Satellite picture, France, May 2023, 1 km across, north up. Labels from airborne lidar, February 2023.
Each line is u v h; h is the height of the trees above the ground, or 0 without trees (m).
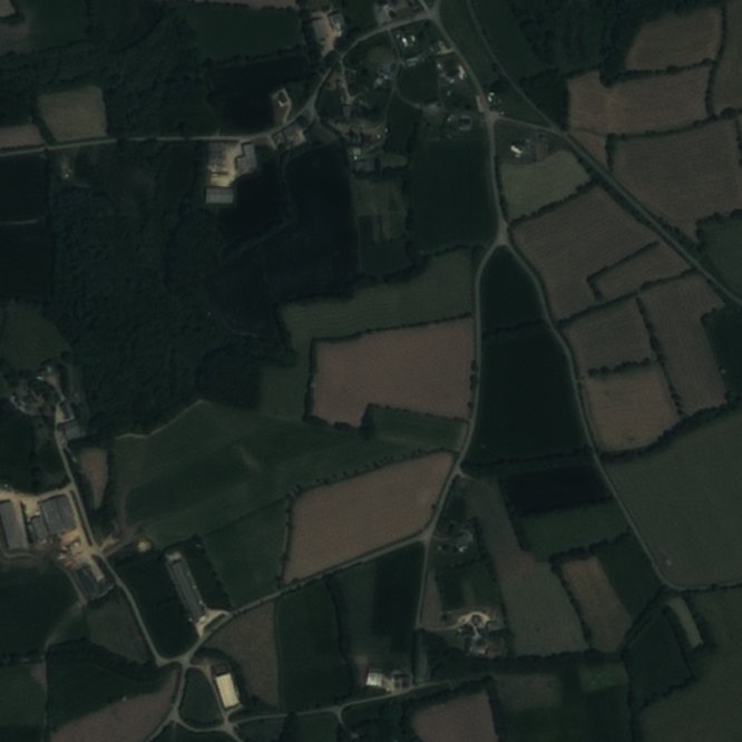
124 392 11
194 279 17
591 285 7
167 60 7
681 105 0
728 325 0
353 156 0
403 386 0
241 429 0
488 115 0
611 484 0
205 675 0
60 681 0
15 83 14
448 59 0
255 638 0
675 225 0
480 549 8
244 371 18
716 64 6
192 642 0
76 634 0
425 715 0
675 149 0
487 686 14
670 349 0
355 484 0
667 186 0
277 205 0
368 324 0
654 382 0
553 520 0
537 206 0
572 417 0
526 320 0
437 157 0
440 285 0
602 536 0
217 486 0
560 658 12
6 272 0
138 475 0
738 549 0
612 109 0
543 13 9
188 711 0
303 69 0
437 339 0
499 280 0
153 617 0
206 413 0
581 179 0
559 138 0
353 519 0
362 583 0
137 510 0
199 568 0
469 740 0
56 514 0
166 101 25
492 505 0
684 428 16
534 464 9
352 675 6
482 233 0
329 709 0
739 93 0
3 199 0
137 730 0
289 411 0
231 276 0
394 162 0
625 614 0
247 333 0
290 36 0
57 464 0
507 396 0
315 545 0
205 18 0
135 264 21
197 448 0
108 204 22
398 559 0
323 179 0
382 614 0
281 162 11
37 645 0
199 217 22
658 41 0
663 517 0
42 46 0
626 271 0
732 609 0
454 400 0
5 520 0
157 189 7
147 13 0
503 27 0
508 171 0
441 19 0
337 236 0
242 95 0
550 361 0
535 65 0
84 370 11
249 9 7
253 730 0
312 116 0
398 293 0
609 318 0
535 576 0
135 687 0
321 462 0
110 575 6
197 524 0
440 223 0
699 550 0
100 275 15
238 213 0
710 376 0
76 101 0
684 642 14
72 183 0
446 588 0
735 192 0
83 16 0
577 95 0
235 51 0
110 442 12
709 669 0
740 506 0
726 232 0
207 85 0
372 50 0
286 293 0
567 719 0
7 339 0
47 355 0
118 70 9
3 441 0
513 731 0
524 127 0
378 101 0
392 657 0
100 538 0
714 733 0
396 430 0
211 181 0
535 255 0
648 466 0
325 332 0
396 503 0
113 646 0
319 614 0
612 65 19
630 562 0
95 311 20
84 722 0
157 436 0
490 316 0
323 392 0
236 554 0
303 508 0
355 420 0
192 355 7
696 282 0
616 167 0
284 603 0
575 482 0
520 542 14
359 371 0
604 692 0
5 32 0
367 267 0
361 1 0
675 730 0
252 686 0
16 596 0
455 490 11
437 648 12
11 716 0
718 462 0
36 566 0
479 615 0
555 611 0
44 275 0
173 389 9
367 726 17
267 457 0
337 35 0
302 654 0
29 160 0
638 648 0
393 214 0
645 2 20
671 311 0
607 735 0
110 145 0
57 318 15
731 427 0
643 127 0
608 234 0
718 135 0
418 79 0
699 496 0
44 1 0
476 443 0
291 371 0
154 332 8
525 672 14
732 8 0
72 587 0
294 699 0
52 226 18
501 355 0
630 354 0
